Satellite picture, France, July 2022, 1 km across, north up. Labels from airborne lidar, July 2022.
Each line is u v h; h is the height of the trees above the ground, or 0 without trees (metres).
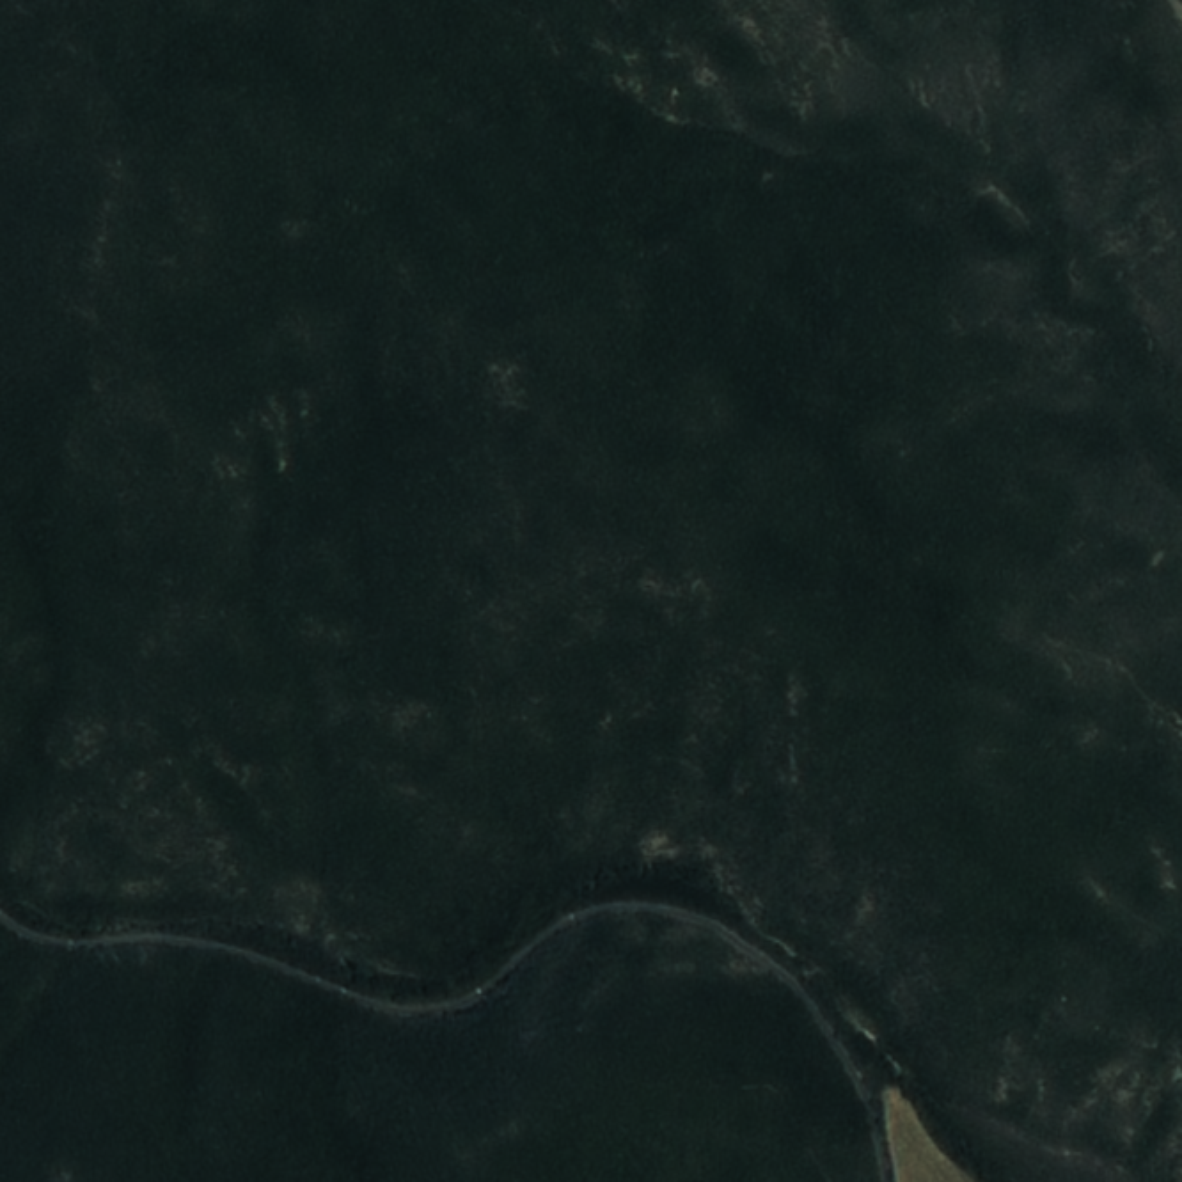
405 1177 6
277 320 5
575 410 6
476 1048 6
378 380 6
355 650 6
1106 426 7
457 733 6
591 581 6
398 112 5
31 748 6
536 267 5
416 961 6
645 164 8
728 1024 6
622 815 6
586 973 5
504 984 7
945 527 5
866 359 5
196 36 7
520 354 6
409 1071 7
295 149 5
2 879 6
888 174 6
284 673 5
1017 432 6
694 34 6
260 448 7
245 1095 6
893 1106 0
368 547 6
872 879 6
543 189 6
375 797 5
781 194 6
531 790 6
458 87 8
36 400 7
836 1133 7
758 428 6
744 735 7
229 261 7
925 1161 0
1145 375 5
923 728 7
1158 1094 6
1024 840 7
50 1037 6
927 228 8
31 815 6
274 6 5
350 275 5
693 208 6
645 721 6
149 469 6
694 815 7
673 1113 6
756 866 6
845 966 6
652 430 6
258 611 6
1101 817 7
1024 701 7
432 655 5
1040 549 5
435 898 8
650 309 6
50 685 6
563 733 6
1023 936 6
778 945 6
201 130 6
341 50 5
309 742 7
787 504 6
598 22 6
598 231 5
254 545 7
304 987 8
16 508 7
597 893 8
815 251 6
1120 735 6
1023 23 6
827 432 5
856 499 6
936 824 6
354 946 6
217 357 6
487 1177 6
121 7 5
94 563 6
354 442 6
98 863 7
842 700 6
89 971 5
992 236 7
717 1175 5
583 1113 6
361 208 6
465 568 6
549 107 6
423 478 5
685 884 9
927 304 6
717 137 6
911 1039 5
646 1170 5
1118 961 6
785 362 5
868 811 6
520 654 5
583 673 6
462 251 6
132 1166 6
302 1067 7
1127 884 5
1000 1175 9
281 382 6
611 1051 6
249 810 6
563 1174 6
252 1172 8
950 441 6
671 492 5
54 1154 6
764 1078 6
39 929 11
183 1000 6
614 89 6
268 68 6
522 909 10
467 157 6
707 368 6
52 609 6
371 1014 7
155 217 6
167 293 6
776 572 6
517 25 6
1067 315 6
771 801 6
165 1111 6
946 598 6
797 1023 6
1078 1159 0
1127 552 6
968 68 0
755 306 6
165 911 6
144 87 7
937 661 6
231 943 6
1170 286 0
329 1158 6
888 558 6
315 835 7
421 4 6
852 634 7
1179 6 0
